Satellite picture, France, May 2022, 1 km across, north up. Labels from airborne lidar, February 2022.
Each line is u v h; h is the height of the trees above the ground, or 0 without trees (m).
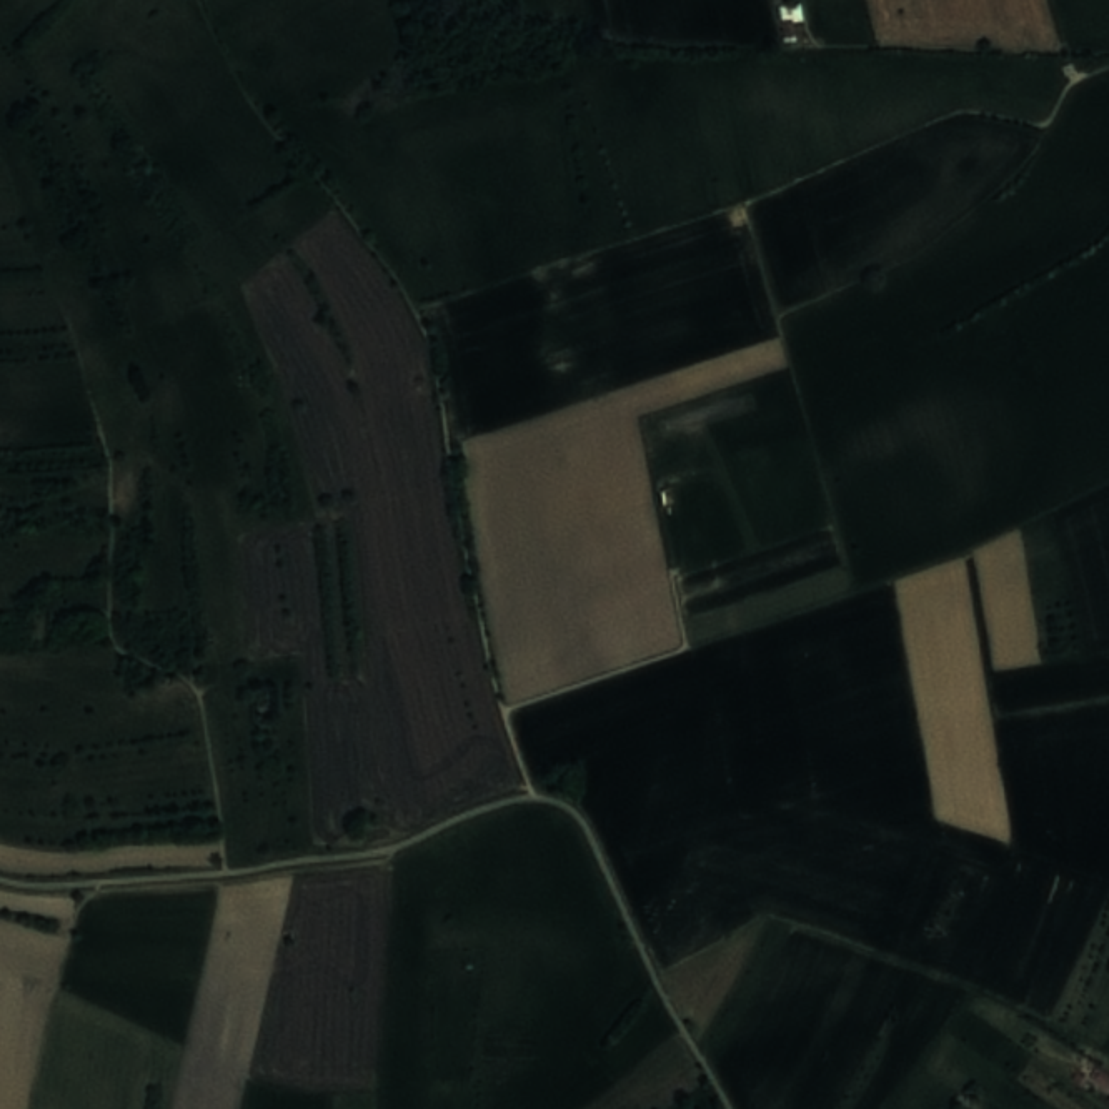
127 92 0
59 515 16
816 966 0
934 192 0
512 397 0
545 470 0
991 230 0
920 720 0
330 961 0
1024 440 0
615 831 0
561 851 0
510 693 0
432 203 0
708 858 0
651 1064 0
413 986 0
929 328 0
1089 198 0
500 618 0
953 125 0
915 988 0
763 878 0
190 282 0
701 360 0
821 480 0
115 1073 0
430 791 0
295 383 0
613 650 0
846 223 0
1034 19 0
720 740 0
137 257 0
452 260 0
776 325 0
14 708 0
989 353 0
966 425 0
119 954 0
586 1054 0
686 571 0
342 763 0
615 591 0
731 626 0
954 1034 0
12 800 0
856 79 0
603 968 0
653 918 0
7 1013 0
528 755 0
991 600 0
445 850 0
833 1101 0
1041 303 0
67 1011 0
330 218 0
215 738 0
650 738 0
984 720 0
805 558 0
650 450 0
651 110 0
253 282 0
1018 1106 0
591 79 0
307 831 0
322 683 0
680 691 0
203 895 0
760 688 0
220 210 0
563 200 0
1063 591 0
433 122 0
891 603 0
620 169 0
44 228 0
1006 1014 0
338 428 0
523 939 0
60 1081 0
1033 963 0
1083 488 0
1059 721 0
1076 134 0
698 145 0
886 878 0
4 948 0
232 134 0
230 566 0
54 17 6
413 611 0
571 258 0
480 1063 0
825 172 0
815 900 0
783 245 0
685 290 0
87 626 11
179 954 0
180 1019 0
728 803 0
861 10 0
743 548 0
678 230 0
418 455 0
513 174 0
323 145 0
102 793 0
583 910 0
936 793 0
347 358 6
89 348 0
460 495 10
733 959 0
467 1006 0
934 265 0
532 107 0
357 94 0
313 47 0
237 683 0
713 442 0
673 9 0
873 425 0
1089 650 0
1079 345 0
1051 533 0
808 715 0
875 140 0
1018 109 0
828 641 0
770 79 0
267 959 0
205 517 0
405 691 0
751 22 0
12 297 0
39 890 0
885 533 0
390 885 0
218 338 0
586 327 0
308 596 0
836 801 0
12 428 0
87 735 0
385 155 0
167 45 0
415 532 0
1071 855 0
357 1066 0
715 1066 0
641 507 0
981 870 0
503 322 0
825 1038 0
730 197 0
